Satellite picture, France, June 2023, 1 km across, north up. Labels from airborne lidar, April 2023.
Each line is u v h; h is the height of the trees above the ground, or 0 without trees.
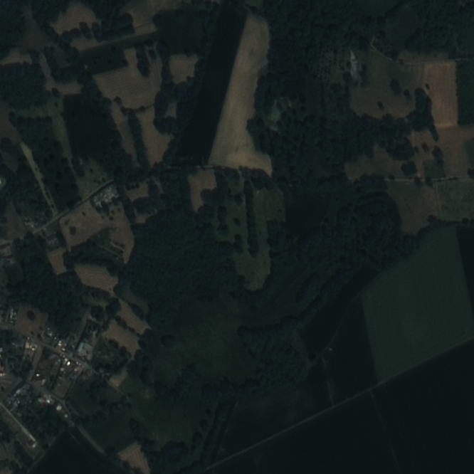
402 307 0
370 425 0
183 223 27
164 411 0
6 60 0
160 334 0
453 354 0
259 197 0
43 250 0
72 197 0
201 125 0
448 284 0
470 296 0
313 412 0
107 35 21
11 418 0
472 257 0
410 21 0
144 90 0
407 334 0
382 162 0
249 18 0
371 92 0
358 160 0
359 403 0
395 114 0
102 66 0
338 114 31
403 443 0
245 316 0
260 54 0
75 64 12
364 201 13
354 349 0
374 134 25
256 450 0
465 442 0
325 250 25
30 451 0
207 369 0
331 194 0
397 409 0
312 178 24
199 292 31
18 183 13
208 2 13
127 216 15
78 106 0
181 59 0
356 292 0
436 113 0
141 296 20
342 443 0
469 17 7
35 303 19
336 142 25
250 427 0
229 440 0
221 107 0
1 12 24
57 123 0
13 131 0
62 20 0
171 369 0
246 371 0
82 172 16
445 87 0
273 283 21
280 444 0
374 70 0
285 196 0
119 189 18
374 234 13
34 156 8
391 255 20
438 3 15
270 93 19
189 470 14
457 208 0
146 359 17
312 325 0
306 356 0
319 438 0
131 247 0
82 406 0
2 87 21
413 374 0
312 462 0
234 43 0
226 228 17
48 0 24
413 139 0
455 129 0
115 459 13
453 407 0
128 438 0
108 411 17
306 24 20
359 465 0
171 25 0
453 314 0
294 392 0
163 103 24
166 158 14
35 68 22
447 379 0
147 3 0
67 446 0
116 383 0
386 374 0
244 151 0
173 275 29
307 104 0
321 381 0
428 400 0
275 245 23
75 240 0
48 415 14
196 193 0
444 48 15
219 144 0
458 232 0
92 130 0
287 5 21
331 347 0
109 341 7
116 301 17
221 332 0
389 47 6
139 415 0
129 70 0
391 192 0
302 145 18
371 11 0
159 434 0
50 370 0
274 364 20
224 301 0
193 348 0
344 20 26
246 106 0
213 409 0
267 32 0
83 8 0
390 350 0
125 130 0
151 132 0
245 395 14
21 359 7
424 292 0
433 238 0
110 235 0
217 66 0
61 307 21
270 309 0
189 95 32
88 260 7
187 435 0
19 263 0
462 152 0
